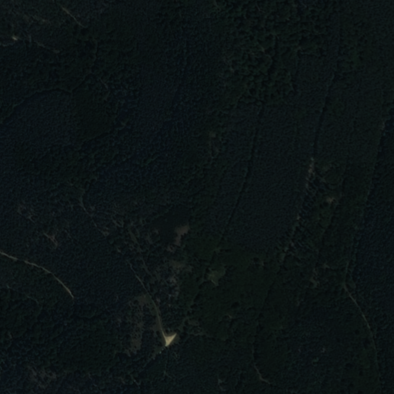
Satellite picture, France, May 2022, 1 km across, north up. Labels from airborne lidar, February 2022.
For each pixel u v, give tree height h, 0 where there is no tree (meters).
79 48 17
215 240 19
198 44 22
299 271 8
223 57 15
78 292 26
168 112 22
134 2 19
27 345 30
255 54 30
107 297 26
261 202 27
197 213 14
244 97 29
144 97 25
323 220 8
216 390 18
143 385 9
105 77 13
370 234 18
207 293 16
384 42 25
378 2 28
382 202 26
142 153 30
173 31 27
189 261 8
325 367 14
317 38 25
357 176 19
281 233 24
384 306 14
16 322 30
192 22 21
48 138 28
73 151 26
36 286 11
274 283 13
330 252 13
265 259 14
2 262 12
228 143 19
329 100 28
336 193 14
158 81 26
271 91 29
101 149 24
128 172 33
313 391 9
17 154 26
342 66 30
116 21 17
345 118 23
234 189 23
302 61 25
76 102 13
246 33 27
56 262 29
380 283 11
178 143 22
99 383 27
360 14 22
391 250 18
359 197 11
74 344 28
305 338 7
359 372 30
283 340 15
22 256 19
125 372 28
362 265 19
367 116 25
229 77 12
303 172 25
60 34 10
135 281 20
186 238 10
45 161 28
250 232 29
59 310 18
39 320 26
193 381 13
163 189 18
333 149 25
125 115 18
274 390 14
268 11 20
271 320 22
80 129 13
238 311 9
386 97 23
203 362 16
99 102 7
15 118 30
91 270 22
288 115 27
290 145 22
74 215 19
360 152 23
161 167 24
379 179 22
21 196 20
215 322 14
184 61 24
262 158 26
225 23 13
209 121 13
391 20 22
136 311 6
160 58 22
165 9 26
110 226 20
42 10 26
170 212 12
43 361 29
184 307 16
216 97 20
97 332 31
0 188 28
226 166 24
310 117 25
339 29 28
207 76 20
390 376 14
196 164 13
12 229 21
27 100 19
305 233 7
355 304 13
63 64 14
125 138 24
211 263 17
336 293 22
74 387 9
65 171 24
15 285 15
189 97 24
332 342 14
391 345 14
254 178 30
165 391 15
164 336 0
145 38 23
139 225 14
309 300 14
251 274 15
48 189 9
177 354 9
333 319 11
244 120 26
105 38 13
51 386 7
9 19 12
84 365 26
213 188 9
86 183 17
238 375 16
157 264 8
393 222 20
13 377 25
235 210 24
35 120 24
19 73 16
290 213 27
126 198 15
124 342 7
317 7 28
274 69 33
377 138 19
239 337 15
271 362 22
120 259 24
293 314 17
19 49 11
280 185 28
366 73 25
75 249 30
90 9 30
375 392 22
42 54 15
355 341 16
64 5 29
